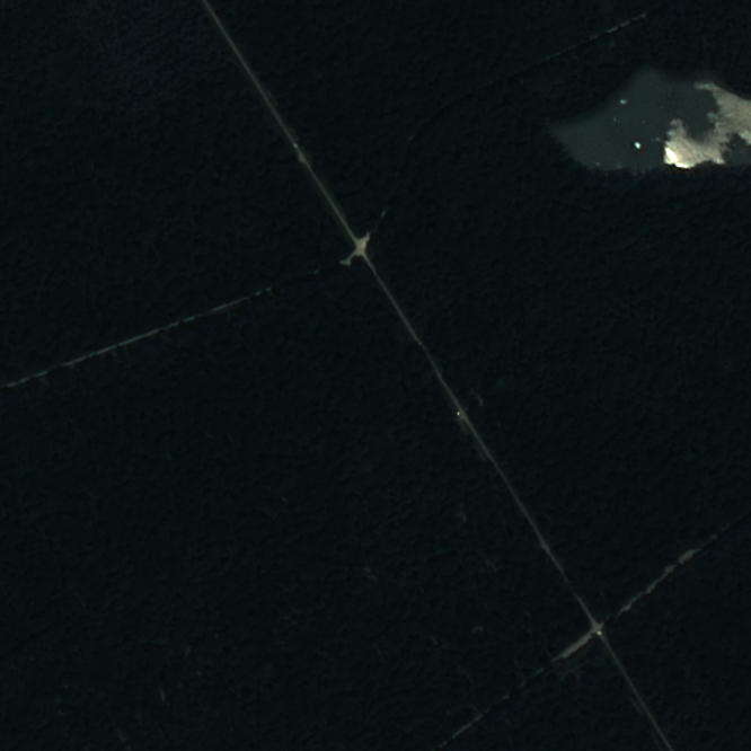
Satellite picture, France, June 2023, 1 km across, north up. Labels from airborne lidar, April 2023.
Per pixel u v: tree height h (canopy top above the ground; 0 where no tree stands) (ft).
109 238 62
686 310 72
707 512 79
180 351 65
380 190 75
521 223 73
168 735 42
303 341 71
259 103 44
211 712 59
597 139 0
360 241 0
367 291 72
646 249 70
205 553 66
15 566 61
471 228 72
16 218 75
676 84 0
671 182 79
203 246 62
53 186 80
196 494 66
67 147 86
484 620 72
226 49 71
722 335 58
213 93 54
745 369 67
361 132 75
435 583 69
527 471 64
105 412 68
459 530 64
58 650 69
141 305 69
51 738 75
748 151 0
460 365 72
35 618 72
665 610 53
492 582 67
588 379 80
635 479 83
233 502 60
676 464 77
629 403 69
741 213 81
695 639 76
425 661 75
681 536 82
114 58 81
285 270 59
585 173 79
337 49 73
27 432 70
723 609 85
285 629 77
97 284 68
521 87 67
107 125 73
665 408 73
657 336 65
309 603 78
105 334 65
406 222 70
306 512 65
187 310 70
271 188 88
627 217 62
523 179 69
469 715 71
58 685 66
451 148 54
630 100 0
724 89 0
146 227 66
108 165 78
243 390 72
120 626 57
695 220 71
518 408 78
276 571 70
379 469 73
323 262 66
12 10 68
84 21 87
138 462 75
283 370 74
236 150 69
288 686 75
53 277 67
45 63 62
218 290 73
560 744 65
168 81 78
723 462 64
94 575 68
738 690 83
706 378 63
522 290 64
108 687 66
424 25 72
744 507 64
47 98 54
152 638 48
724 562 68
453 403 0
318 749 55
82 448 79
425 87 67
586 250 65
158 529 75
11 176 85
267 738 63
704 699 87
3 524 64
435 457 65
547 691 66
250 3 69
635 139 0
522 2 76
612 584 65
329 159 84
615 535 70
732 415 77
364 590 64
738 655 78
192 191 66
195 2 74
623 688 66
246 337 80
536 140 67
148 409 69
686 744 76
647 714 0
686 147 0
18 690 72
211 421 80
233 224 72
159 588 60
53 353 64
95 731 66
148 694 72
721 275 67
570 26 62
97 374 66
